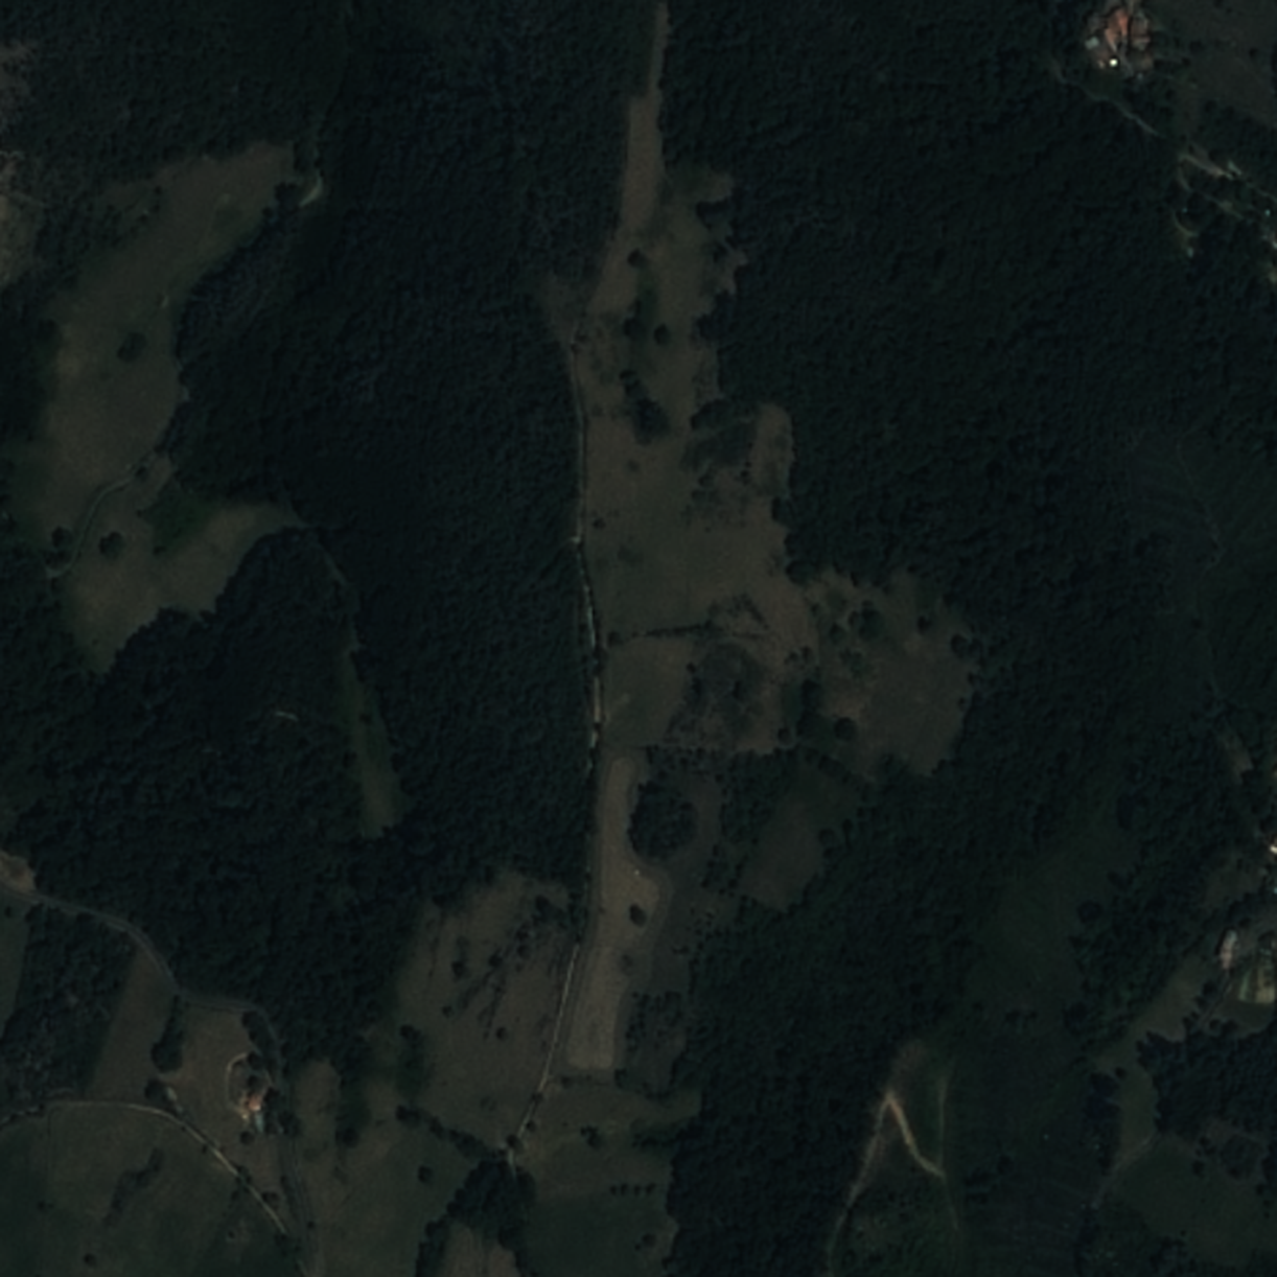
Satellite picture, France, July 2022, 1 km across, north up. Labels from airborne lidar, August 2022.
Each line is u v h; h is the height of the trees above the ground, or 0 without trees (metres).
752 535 0
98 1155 0
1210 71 0
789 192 15
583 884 12
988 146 24
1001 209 29
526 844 17
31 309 16
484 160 17
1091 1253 16
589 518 0
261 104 13
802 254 19
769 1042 25
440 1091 0
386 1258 0
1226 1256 0
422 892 19
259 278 15
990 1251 0
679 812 9
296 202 18
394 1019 0
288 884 19
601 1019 0
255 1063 12
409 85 10
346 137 17
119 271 0
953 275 22
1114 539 14
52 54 8
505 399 12
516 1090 0
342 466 22
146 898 16
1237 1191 0
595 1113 0
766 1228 30
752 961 16
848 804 0
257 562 15
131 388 0
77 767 7
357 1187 0
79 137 13
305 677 17
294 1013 15
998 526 26
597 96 14
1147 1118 0
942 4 21
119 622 0
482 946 0
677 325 0
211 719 26
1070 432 20
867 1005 25
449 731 15
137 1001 0
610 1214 0
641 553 0
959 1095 0
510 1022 0
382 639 27
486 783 17
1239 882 0
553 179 11
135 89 11
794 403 11
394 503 21
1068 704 22
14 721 20
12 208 0
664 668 0
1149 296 27
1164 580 14
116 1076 0
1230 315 24
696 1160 19
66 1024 9
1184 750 9
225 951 7
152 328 0
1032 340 29
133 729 22
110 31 14
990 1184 16
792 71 12
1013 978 0
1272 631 6
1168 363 22
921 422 22
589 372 0
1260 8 0
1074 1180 0
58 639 16
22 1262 0
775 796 15
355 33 21
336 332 10
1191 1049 8
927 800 20
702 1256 21
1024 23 28
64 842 22
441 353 21
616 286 0
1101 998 17
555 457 13
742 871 12
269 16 9
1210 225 7
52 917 10
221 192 0
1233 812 9
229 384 15
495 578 12
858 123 27
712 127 18
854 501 15
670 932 0
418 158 18
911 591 0
